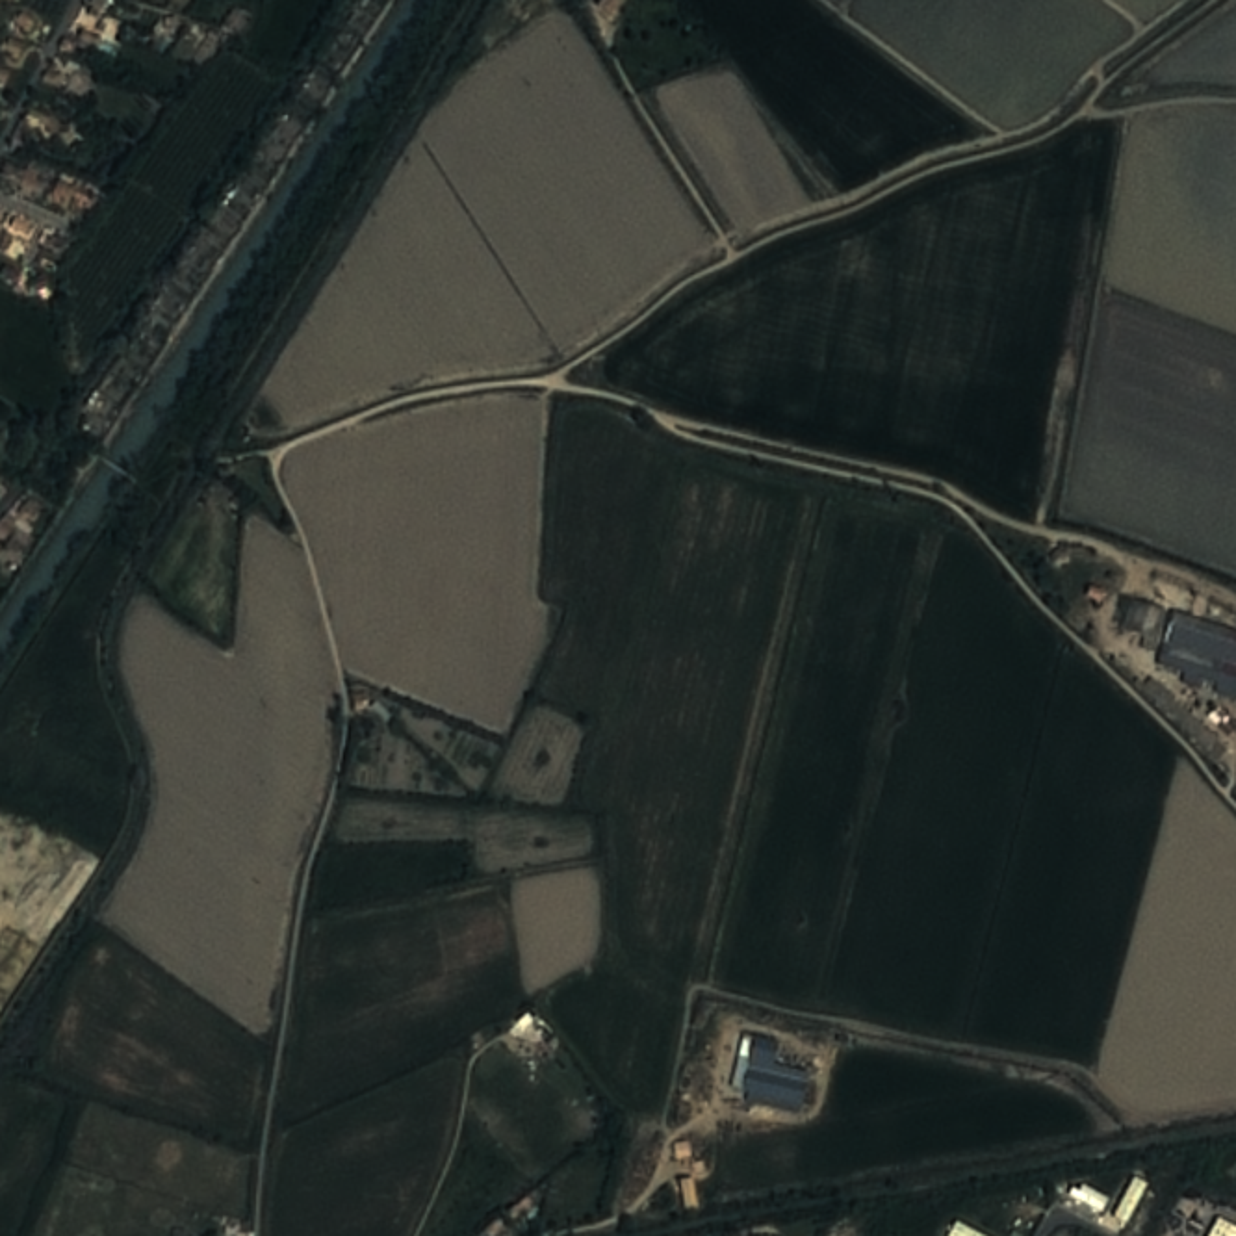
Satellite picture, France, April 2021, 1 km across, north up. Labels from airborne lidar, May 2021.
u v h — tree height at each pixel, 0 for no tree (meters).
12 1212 0
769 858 0
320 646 0
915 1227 0
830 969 0
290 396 0
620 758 0
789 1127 0
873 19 0
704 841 0
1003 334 0
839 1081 0
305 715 0
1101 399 0
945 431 0
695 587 0
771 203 0
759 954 0
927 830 0
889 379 0
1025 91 0
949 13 0
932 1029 0
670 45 0
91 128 8
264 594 0
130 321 6
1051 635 0
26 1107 0
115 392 0
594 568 0
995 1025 0
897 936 0
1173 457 0
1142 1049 0
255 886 0
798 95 0
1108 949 0
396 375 0
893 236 0
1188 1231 0
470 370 0
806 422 0
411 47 10
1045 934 0
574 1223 5
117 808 0
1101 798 0
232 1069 0
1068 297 0
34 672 0
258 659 0
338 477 0
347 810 0
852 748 0
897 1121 0
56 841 0
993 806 0
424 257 0
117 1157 0
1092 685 0
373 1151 0
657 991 0
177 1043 0
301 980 0
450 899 0
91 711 0
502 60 0
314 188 13
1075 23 0
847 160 0
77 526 0
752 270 0
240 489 9
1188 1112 0
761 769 0
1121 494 0
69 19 0
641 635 0
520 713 0
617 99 0
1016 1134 0
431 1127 0
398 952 0
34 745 0
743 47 0
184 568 0
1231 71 0
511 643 0
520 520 0
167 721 0
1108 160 0
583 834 0
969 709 0
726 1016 0
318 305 0
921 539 0
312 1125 0
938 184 0
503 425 0
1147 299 0
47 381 0
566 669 0
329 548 0
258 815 0
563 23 0
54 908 0
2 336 0
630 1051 0
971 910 0
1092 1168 6
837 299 0
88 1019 0
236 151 10
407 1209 0
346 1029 0
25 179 0
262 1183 0
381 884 0
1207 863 0
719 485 0
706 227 0
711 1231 9
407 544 0
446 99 0
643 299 0
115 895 0
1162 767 0
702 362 0
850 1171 0
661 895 0
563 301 0
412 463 0
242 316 8
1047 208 0
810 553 0
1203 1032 0
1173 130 0
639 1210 0
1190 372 0
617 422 0
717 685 0
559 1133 0
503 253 0
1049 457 0
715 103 0
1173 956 0
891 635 0
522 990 0
